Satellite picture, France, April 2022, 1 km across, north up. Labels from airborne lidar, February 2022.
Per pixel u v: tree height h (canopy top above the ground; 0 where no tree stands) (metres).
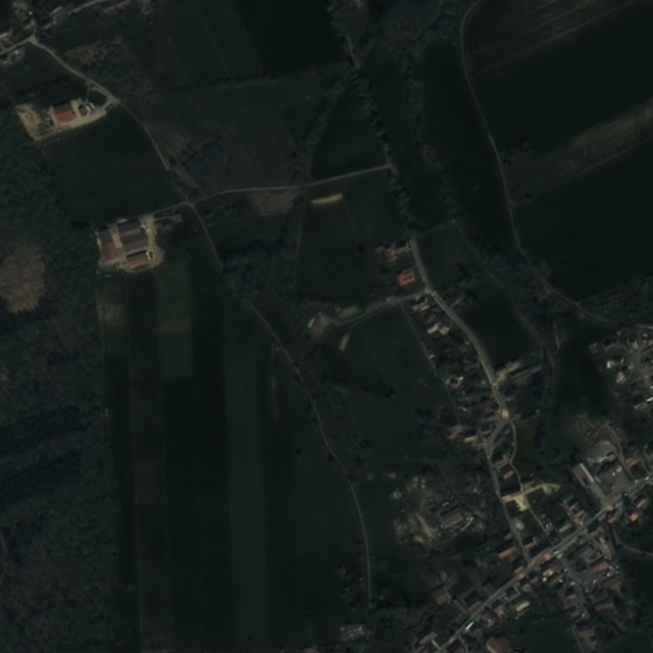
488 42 0
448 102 0
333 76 0
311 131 13
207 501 0
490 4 0
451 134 0
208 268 0
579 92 0
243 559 0
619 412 0
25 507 27
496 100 0
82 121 0
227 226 0
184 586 0
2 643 24
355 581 0
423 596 0
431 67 0
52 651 25
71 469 21
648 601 0
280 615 0
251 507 0
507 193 0
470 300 16
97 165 0
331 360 0
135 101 0
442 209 0
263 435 0
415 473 0
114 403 0
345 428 12
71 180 0
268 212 0
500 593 0
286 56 0
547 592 6
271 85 0
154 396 0
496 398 0
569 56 0
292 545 0
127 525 0
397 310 0
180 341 0
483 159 0
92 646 28
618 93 0
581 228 0
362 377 0
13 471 23
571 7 0
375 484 0
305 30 0
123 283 0
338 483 0
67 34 0
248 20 0
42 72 0
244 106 0
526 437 0
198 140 0
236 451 0
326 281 0
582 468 0
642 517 16
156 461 0
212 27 0
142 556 0
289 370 0
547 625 0
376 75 0
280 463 0
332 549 0
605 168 0
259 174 0
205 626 0
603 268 0
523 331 0
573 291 0
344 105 0
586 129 0
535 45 0
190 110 0
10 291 0
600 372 0
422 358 0
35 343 22
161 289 0
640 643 0
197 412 0
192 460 0
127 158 0
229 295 0
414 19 27
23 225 26
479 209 0
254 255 20
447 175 18
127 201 0
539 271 19
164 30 0
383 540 0
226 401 0
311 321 0
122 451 0
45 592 22
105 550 28
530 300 28
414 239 0
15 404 21
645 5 0
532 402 0
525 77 0
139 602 0
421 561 0
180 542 0
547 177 0
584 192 0
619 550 11
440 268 0
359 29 0
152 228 0
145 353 0
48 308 22
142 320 0
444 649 0
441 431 17
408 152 0
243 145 0
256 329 0
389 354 0
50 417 22
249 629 0
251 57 0
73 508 27
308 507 0
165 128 0
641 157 0
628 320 8
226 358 0
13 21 0
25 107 0
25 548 28
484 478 13
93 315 18
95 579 29
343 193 0
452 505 10
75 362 28
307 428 0
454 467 22
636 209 0
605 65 0
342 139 0
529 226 0
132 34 0
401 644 0
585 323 0
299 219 18
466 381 0
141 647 0
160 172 0
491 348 0
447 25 16
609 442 0
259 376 0
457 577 0
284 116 0
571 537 0
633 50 0
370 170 0
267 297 26
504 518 13
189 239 0
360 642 15
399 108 0
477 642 9
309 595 0
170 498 0
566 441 0
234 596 0
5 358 21
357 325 0
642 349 0
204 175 26
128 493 0
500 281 20
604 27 0
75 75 0
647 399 0
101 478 25
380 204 0
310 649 0
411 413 0
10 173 25
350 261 0
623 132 0
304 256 0
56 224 26
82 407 25
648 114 0
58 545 29
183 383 0
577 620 0
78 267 25
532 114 0
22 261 0
